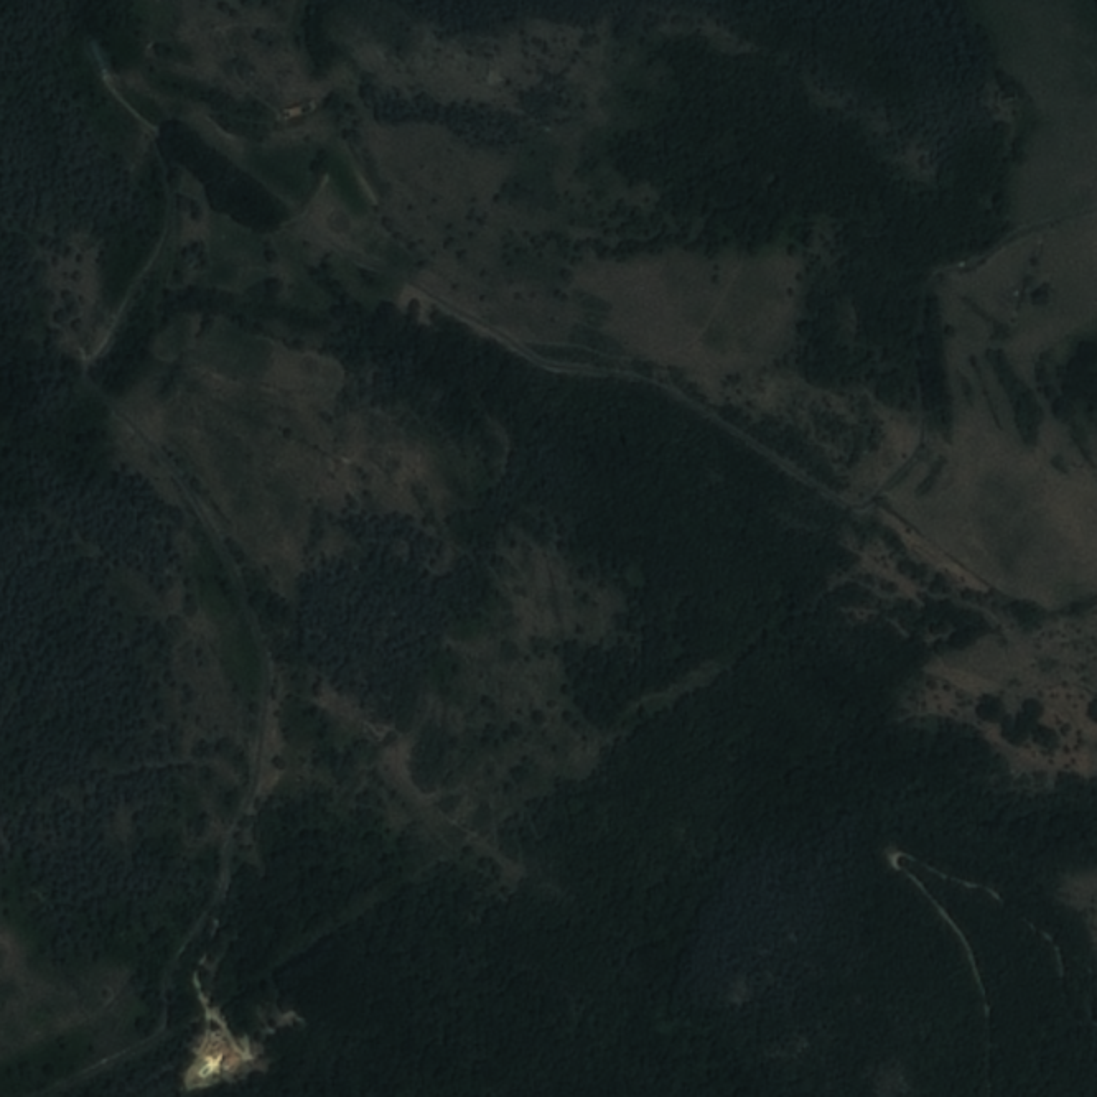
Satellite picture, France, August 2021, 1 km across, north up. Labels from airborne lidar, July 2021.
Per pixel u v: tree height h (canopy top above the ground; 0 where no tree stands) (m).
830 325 14
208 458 0
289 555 0
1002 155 14
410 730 0
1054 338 0
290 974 19
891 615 9
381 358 12
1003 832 15
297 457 0
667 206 8
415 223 0
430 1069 17
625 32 14
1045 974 12
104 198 11
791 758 22
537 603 0
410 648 10
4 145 15
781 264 0
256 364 0
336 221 0
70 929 10
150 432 0
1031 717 11
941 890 12
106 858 12
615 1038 10
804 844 11
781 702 15
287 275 0
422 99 7
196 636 0
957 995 13
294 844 7
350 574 13
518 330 0
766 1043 12
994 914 11
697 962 11
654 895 18
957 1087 19
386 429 0
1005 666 0
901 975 10
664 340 0
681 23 8
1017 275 0
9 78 11
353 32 0
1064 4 0
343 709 0
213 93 6
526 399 15
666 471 21
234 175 19
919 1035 7
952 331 10
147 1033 9
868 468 0
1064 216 0
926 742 15
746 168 13
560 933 20
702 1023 13
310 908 13
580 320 0
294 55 0
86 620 12
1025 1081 8
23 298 13
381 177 0
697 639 13
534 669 0
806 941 8
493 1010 16
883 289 13
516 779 9
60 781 9
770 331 0
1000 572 0
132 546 13
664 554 18
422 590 10
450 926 11
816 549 7
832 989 7
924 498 0
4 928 0
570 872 16
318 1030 12
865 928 11
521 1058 12
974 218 17
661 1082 17
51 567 14
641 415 12
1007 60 0
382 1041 15
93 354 0
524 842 9
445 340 10
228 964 7
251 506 0
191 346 0
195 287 8
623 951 19
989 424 0
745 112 14
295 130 0
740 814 15
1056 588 0
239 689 7
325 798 9
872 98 7
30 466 6
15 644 14
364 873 13
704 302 0
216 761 0
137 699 12
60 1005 0
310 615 10
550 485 5
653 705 0
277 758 6
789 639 17
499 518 8
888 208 14
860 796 16
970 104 15
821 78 8
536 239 6
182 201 14
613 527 10
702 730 18
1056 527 0
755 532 20
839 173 14
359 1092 6
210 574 0
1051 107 0
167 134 17
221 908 7
